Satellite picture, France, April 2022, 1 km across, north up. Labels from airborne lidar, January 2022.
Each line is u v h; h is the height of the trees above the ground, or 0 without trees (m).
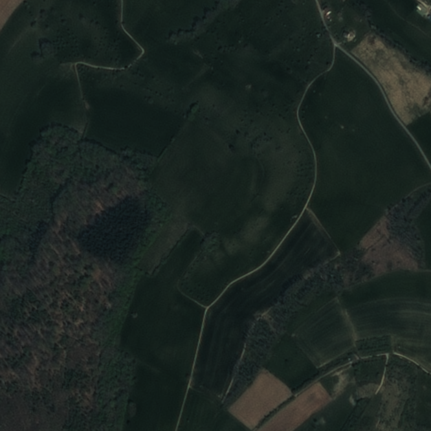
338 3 0
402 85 0
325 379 0
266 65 0
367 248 32
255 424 0
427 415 0
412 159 0
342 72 0
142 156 20
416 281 0
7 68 0
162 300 0
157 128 0
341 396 0
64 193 22
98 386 15
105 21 0
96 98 0
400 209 17
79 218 29
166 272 0
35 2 0
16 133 0
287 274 0
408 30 0
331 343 0
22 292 29
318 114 0
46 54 18
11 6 0
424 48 0
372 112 0
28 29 0
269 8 0
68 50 0
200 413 0
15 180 0
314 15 0
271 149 0
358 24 0
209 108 0
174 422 0
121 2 0
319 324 0
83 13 0
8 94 0
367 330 0
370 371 0
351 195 0
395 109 0
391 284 0
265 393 0
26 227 9
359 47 0
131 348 0
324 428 0
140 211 26
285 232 0
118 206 27
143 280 0
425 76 0
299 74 0
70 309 23
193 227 13
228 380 0
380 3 0
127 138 0
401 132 0
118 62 8
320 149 0
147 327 0
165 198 0
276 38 0
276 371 0
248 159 0
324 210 0
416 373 0
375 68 0
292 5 0
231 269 0
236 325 0
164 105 0
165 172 0
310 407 0
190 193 0
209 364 0
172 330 0
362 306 0
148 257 0
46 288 17
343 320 0
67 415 8
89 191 28
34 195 8
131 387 17
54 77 0
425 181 0
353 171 0
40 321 11
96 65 0
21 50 0
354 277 0
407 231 24
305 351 0
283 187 0
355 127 0
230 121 0
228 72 0
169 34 0
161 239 0
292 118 0
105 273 32
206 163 0
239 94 0
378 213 0
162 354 0
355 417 6
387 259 0
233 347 0
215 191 0
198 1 0
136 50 0
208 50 0
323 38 15
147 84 0
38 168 12
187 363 0
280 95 0
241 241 0
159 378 0
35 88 0
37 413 10
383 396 0
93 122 0
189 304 0
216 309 0
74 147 25
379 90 0
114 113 0
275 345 24
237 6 8
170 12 0
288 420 0
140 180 18
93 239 30
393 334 0
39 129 0
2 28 0
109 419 19
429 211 0
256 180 0
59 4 0
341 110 0
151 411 0
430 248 0
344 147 0
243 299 0
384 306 0
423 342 0
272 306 0
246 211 0
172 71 0
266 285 0
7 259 20
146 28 0
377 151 0
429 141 0
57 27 0
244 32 0
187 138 0
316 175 0
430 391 0
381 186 0
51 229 18
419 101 0
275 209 0
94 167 25
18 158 0
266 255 0
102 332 27
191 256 0
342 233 0
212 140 0
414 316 0
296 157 0
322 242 0
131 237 26
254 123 12
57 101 0
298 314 7
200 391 0
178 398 0
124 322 15
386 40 18
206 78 0
